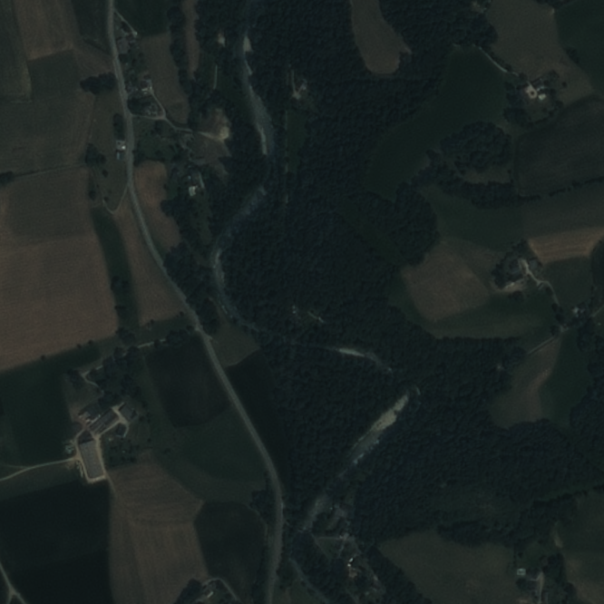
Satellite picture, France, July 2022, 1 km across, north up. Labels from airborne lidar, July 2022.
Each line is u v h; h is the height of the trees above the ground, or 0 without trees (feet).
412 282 0
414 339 78
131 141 0
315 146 50
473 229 0
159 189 0
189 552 0
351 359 54
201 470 0
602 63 0
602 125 0
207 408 0
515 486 75
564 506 77
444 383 105
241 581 0
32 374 0
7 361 0
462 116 0
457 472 50
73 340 0
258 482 0
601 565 0
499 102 0
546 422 47
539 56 0
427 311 0
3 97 0
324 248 54
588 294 0
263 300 80
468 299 0
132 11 0
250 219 40
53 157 0
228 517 0
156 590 0
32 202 0
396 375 86
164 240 0
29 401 0
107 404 54
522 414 0
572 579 0
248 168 39
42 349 0
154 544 0
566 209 0
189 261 63
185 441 0
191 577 0
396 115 66
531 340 0
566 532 0
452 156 72
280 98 64
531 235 0
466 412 82
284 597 0
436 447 83
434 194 0
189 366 0
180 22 83
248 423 0
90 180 0
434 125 0
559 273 0
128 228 0
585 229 0
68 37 0
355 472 84
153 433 0
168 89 0
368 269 82
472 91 0
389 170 0
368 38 0
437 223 58
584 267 0
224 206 70
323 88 85
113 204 0
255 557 0
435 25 53
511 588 0
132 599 0
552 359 0
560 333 43
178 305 0
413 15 87
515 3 0
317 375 40
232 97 0
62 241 0
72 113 0
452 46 57
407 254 76
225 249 44
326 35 67
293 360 75
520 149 0
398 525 69
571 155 0
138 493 0
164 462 0
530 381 0
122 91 0
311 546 71
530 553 0
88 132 0
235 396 0
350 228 71
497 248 0
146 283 0
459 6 78
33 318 0
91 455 0
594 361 31
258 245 90
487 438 71
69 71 0
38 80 0
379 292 77
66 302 0
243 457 0
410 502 73
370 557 86
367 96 67
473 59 0
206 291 82
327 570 31
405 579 64
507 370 66
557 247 0
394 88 85
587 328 50
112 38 0
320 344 65
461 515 30
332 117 60
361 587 76
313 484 42
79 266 0
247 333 36
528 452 51
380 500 73
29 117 0
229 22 32
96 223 0
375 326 83
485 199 77
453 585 0
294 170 0
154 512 0
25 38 0
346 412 49
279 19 67
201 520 0
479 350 80
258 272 71
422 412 64
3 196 0
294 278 93
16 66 0
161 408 0
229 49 32
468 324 0
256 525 0
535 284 0
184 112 0
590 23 0
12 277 0
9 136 0
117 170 0
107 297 0
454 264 0
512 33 0
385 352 93
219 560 0
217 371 0
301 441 86
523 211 0
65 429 0
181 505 0
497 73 0
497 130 54
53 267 0
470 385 104
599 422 75
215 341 0
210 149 0
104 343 0
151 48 0
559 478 55
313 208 110
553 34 0
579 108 0
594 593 0
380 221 80
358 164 59
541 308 0
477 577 0
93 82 66
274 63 57
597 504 0
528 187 0
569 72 0
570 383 0
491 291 0
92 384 0
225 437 0
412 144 0
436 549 0
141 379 0
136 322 0
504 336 0
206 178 32
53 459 0
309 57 60
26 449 0
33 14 0
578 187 55
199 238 22
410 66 84
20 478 0
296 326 36
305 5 60
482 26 77
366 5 0
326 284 64
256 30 74
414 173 0
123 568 0
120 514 0
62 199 0
